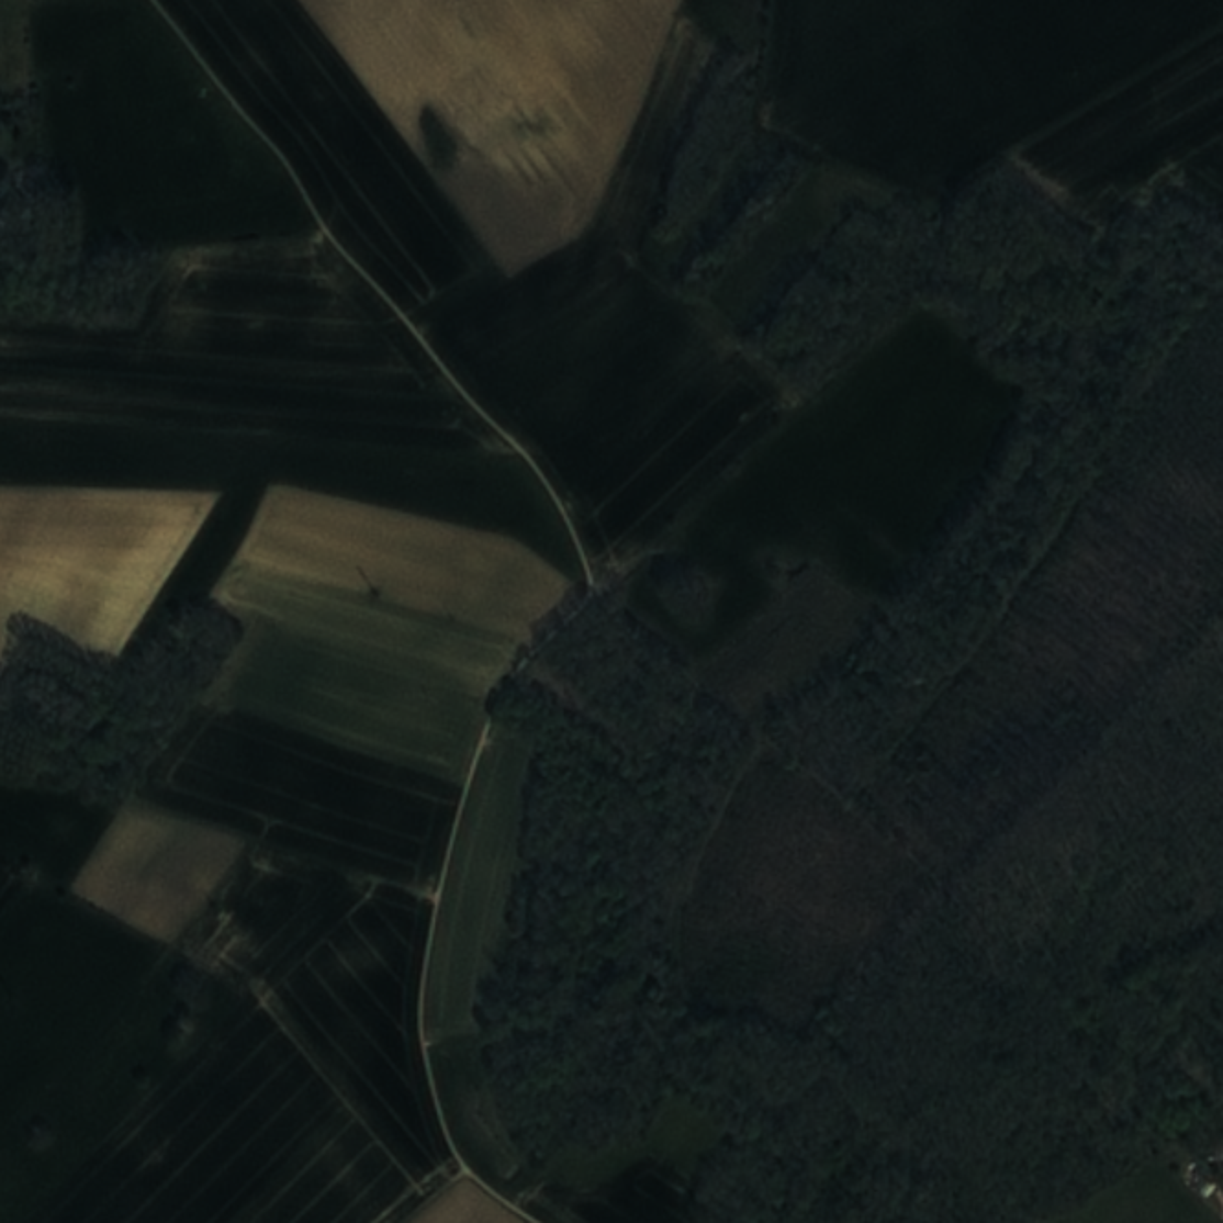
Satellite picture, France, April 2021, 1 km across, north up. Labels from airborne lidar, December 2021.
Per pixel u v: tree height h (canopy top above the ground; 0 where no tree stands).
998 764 11
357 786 0
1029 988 20
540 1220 0
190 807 0
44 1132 20
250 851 0
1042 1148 21
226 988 0
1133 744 19
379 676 0
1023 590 11
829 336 27
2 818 0
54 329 0
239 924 0
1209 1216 0
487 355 0
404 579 0
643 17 0
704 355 0
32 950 0
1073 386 25
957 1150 18
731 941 8
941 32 0
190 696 20
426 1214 0
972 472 0
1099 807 20
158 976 0
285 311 0
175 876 0
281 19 0
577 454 0
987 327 31
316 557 0
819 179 0
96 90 0
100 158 0
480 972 0
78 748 24
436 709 0
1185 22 0
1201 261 29
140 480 0
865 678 20
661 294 0
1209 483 18
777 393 0
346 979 0
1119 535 10
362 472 0
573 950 15
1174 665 20
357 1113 0
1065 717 8
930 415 0
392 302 0
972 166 0
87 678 29
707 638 0
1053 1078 24
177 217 0
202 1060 0
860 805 21
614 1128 23
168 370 0
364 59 0
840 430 0
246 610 0
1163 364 24
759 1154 27
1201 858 22
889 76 0
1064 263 8
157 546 0
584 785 23
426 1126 0
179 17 0
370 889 0
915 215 20
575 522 0
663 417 0
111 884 0
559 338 0
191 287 0
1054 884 18
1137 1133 29
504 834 0
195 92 0
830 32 0
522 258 0
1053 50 0
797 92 0
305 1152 0
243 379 0
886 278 6
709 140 31
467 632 0
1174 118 0
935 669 22
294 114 0
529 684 22
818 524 0
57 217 43
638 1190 0
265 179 0
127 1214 0
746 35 0
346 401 0
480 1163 0
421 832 0
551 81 0
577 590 0
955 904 15
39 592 0
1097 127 0
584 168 0
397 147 0
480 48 0
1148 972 27
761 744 12
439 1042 0
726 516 0
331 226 0
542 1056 26
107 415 0
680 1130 0
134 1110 0
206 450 0
